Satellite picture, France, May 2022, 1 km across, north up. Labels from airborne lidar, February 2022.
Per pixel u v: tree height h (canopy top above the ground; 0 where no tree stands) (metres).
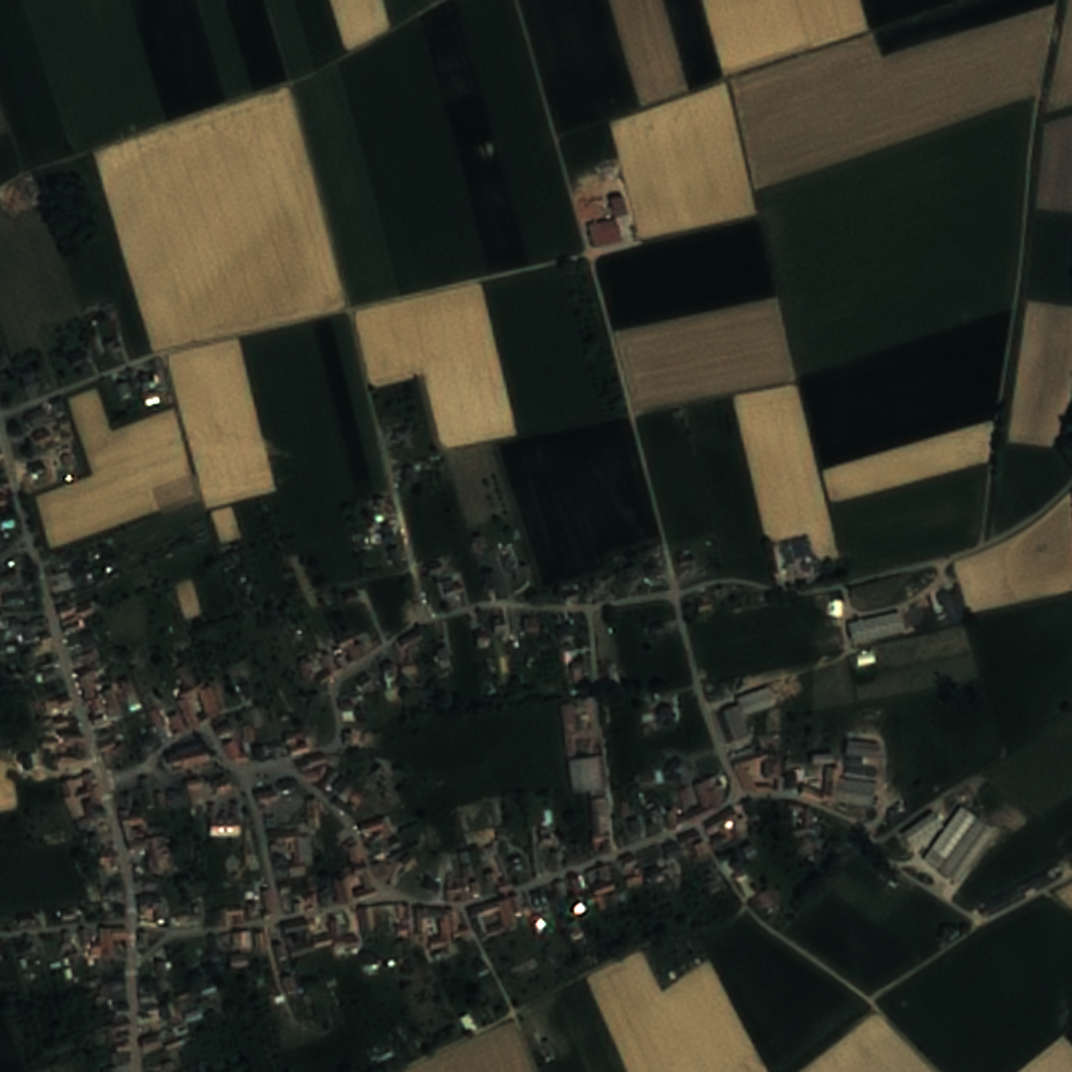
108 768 0
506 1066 0
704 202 0
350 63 0
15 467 0
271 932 0
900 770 0
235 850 0
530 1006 0
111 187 0
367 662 0
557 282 0
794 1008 0
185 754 0
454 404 0
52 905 0
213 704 0
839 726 0
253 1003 8
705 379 0
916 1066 0
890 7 0
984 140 0
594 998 0
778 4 0
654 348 0
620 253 0
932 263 0
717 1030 0
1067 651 0
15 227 0
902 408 0
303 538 0
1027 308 0
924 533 0
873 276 0
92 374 0
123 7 0
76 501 0
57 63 0
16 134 0
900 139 0
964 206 0
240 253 0
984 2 0
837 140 0
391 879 0
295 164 0
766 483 0
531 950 0
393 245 0
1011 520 0
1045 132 0
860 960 0
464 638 0
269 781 0
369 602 0
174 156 0
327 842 0
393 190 0
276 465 0
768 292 0
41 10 0
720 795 0
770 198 0
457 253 0
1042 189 0
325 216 0
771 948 0
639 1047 0
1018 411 0
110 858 0
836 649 0
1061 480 0
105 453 0
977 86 0
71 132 0
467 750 0
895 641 0
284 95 0
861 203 0
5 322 0
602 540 0
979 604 0
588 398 0
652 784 0
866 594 0
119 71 0
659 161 0
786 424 0
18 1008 8
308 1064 0
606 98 0
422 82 0
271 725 0
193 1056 0
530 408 0
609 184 0
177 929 0
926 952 0
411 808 0
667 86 0
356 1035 0
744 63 0
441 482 6
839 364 0
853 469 0
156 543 0
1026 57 0
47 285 0
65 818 0
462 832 0
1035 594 0
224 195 0
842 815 0
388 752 0
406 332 0
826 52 0
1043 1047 0
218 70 0
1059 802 0
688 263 0
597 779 0
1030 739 0
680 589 0
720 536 0
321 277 0
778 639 0
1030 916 0
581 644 5
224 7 0
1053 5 0
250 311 0
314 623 0
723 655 0
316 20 0
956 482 0
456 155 0
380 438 0
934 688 0
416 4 0
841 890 0
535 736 0
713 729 0
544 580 0
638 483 0
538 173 0
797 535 0
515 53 0
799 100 0
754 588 0
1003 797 0
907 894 0
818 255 0
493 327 0
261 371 0
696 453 0
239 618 11
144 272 0
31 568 8
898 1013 0
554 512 0
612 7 0
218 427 0
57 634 0
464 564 0
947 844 0
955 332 0
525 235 0
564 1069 0
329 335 0
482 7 0
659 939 15
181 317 0
